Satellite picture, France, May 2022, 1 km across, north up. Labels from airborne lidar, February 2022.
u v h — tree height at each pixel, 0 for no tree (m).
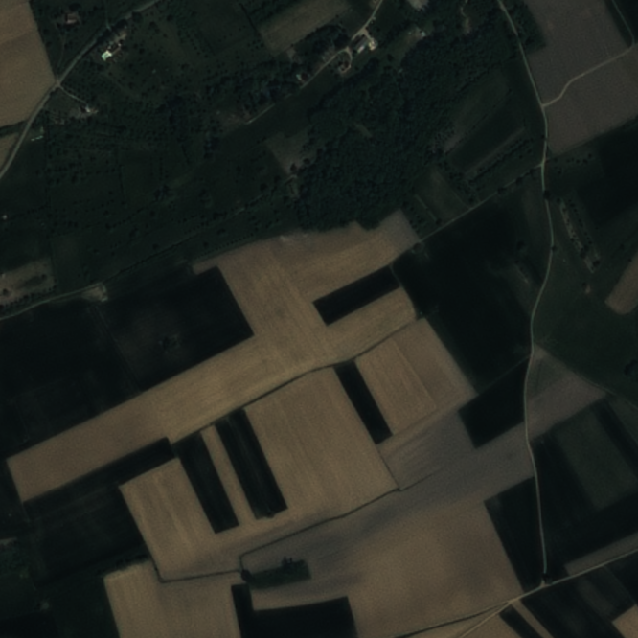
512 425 0
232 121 0
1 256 0
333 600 0
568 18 0
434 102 11
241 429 0
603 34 0
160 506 0
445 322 0
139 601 0
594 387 0
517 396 0
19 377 0
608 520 0
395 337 0
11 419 0
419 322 0
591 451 0
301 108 0
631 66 0
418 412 0
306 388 0
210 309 0
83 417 0
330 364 0
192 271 0
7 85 0
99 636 0
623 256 0
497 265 0
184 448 0
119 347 0
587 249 8
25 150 0
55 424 0
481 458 0
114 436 0
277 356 0
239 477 0
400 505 0
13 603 0
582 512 0
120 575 0
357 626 0
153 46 0
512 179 0
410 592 0
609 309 0
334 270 0
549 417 0
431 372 0
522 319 0
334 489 0
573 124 0
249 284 0
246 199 0
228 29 0
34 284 0
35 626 0
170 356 0
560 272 0
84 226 0
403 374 0
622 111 0
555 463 0
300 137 0
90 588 0
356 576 0
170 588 0
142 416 0
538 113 0
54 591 0
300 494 0
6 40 0
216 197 0
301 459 0
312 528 0
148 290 0
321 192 22
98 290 0
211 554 0
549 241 0
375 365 0
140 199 0
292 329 0
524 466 0
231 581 0
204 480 0
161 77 0
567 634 0
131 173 0
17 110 0
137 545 0
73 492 0
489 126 0
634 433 0
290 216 0
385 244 0
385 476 0
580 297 0
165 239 0
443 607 0
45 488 0
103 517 0
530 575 0
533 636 0
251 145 0
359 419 0
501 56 17
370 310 0
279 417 0
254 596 0
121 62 0
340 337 0
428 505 0
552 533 0
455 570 0
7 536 0
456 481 0
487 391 0
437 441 0
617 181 0
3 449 0
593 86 0
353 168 24
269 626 0
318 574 0
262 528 0
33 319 0
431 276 0
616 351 0
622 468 0
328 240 0
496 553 0
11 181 0
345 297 0
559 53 0
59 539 0
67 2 0
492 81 0
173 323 0
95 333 0
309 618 0
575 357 0
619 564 0
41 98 0
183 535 0
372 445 0
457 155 0
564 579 0
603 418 0
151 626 0
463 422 0
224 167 0
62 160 0
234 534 0
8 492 0
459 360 0
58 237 0
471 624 0
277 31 0
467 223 0
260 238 0
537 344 0
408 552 0
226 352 0
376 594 0
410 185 11
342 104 18
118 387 0
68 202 0
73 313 0
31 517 0
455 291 0
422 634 0
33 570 0
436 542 0
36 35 0
